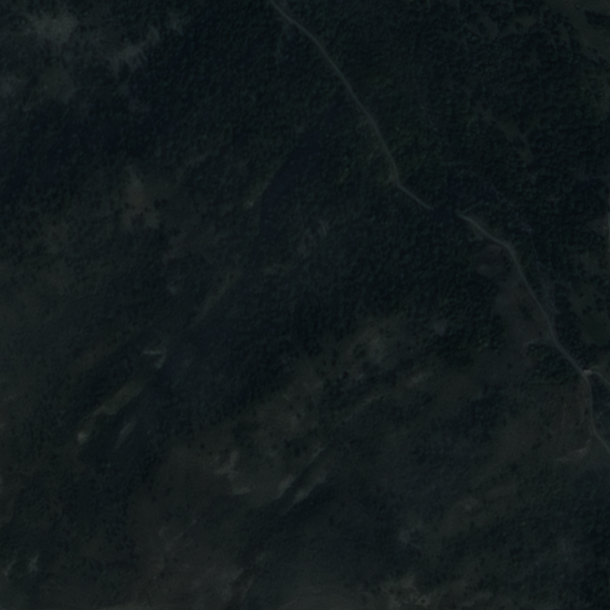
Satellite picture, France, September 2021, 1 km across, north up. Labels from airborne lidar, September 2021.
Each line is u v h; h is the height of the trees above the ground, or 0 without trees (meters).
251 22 23
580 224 13
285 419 0
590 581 10
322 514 0
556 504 13
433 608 0
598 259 12
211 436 0
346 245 8
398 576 8
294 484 0
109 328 6
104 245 6
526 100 16
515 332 0
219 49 15
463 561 10
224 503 0
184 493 0
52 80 0
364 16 12
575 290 12
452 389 0
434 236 8
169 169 6
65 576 0
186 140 11
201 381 9
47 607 0
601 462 0
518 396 0
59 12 6
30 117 9
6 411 0
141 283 6
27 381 0
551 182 10
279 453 6
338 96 7
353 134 12
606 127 9
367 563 0
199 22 9
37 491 8
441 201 11
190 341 6
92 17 0
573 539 9
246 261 9
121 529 8
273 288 12
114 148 10
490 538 12
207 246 0
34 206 11
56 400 7
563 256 11
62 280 0
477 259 0
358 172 17
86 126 8
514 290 0
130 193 0
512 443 0
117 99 7
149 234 6
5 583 0
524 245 12
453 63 12
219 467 0
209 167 10
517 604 8
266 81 17
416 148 15
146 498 0
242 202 9
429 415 0
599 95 9
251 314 13
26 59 8
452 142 16
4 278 0
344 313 9
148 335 6
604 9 0
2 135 19
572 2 0
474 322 6
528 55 16
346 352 0
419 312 12
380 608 0
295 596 0
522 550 7
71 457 0
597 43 0
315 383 0
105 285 6
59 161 8
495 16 9
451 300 7
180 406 9
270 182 6
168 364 6
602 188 12
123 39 6
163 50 7
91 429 0
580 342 15
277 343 8
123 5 15
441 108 14
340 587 0
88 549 0
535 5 10
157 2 9
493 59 12
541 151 12
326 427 13
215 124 12
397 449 0
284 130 10
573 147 15
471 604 0
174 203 0
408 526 0
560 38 8
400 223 22
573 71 12
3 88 0
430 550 0
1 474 0
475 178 5
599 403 11
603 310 10
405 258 15
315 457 0
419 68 15
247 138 19
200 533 0
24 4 0
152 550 0
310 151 12
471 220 0
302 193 17
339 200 14
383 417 7
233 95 23
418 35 12
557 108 15
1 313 0
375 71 17
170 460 0
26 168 8
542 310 0
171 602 0
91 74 8
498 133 8
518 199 9
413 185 12
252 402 14
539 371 10
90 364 0
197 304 7
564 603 7
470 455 14
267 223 7
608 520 12
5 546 6
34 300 0
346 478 0
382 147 8
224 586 0
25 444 0
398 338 0
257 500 0
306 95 14
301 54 9
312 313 13
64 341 0
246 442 7
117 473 7
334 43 10
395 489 0
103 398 6
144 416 6
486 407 6
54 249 0
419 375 0
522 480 7
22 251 11
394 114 15
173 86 14
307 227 9
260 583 0
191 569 0
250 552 0
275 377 13
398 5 9
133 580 0
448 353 7
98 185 17
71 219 6
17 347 9
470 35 12
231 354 6
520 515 10
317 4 10
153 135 17
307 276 9
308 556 0
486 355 0
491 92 13
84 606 0
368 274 11
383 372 10
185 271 9
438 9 17
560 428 0
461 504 0
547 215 14
